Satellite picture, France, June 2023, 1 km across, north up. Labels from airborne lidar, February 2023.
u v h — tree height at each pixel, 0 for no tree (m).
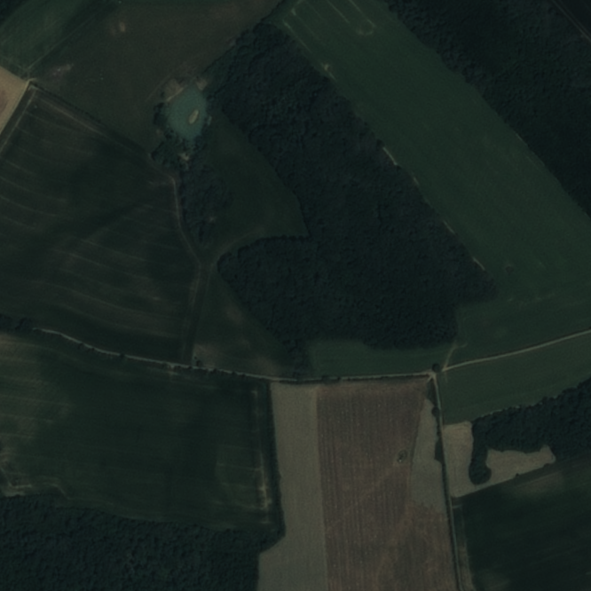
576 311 0
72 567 22
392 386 0
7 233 0
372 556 0
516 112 12
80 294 0
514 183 0
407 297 26
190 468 0
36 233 0
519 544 0
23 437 0
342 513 0
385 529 0
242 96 27
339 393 0
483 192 0
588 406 16
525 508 0
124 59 0
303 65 21
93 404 0
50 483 0
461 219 0
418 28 21
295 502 0
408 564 0
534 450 14
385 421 0
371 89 0
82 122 0
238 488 0
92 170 0
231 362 0
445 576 0
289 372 0
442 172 0
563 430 24
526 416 20
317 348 0
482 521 0
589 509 0
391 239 27
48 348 0
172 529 7
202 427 0
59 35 0
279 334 13
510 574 0
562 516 0
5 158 0
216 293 0
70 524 14
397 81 0
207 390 0
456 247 24
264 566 0
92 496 0
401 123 0
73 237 0
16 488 0
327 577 0
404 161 0
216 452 0
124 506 0
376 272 25
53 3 0
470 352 0
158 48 0
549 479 0
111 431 0
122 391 0
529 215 0
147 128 0
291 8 0
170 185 0
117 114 0
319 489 0
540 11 20
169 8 0
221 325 0
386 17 0
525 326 0
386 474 0
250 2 0
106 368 0
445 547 0
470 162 0
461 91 0
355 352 0
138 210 0
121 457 0
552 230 0
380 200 26
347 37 0
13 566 8
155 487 0
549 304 0
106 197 0
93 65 0
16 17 0
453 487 0
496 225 0
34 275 0
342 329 18
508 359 0
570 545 0
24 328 13
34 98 0
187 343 0
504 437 17
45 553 20
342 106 24
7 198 0
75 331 0
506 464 0
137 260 0
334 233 26
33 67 0
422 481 0
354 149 29
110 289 0
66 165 0
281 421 0
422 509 0
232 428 0
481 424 13
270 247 20
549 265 0
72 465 0
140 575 20
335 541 0
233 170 0
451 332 17
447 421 0
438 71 0
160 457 0
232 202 22
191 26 0
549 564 0
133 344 0
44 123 0
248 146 0
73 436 0
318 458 0
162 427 0
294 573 0
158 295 0
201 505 0
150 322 0
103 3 0
